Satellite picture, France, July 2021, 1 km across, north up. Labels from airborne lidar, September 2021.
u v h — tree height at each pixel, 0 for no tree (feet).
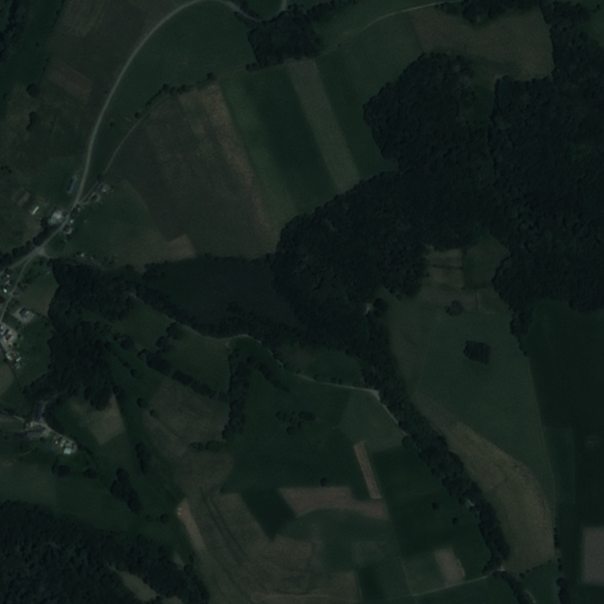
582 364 0
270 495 0
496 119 85
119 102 0
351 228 70
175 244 0
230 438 68
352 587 0
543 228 95
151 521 20
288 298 37
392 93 47
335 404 0
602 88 86
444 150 47
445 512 0
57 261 53
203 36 0
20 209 0
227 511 0
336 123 0
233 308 41
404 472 0
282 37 73
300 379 0
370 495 0
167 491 0
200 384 40
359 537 0
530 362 0
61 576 90
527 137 78
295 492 0
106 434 0
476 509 52
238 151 0
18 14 85
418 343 0
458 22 0
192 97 0
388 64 0
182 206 0
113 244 0
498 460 0
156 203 0
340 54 0
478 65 0
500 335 0
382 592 0
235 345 0
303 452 0
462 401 0
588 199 52
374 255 75
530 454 0
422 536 0
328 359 0
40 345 0
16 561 75
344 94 0
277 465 0
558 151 64
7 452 0
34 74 0
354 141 0
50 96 0
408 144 78
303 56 34
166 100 0
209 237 0
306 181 0
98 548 98
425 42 0
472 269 0
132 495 76
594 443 0
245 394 61
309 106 0
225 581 0
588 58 66
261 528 0
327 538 0
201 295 0
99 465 22
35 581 68
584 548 0
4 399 0
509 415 0
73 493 0
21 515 71
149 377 0
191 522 0
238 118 0
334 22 0
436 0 0
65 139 0
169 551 39
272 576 0
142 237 0
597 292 68
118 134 0
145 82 0
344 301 85
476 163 57
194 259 0
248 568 0
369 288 87
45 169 0
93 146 0
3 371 0
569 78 58
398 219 68
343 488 0
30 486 0
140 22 0
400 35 0
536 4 57
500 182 75
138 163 0
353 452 0
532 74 0
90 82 0
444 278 0
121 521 0
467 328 0
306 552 0
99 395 77
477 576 0
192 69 0
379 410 0
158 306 52
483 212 70
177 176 0
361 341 79
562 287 54
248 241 0
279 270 36
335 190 0
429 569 0
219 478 0
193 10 0
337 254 69
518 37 0
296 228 50
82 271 74
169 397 0
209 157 0
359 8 0
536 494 0
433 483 0
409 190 65
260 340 54
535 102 29
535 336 0
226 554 0
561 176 53
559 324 0
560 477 0
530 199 92
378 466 0
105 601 90
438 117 53
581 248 90
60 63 0
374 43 0
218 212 0
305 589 0
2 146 0
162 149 0
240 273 0
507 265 59
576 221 71
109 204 0
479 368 0
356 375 0
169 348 59
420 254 75
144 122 0
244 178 0
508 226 82
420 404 0
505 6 57
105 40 0
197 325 40
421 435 73
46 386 67
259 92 0
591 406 0
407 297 36
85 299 61
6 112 0
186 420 0
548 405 0
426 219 78
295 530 0
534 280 83
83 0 0
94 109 0
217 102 0
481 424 0
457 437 0
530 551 0
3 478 0
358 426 0
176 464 0
